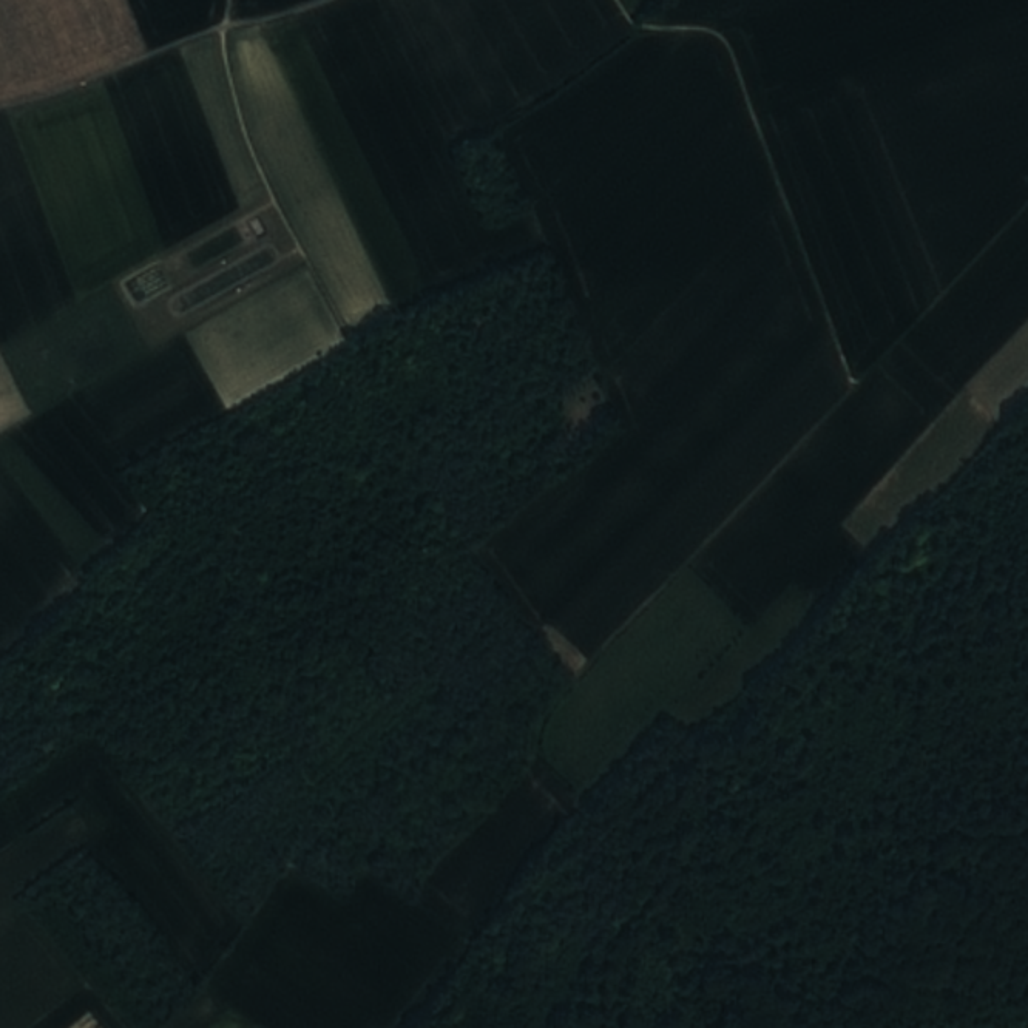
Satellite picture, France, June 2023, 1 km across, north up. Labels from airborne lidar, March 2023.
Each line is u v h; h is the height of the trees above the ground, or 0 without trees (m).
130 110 0
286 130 0
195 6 0
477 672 23
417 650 17
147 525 8
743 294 0
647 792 27
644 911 17
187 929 0
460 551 11
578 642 0
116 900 17
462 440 13
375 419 12
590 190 0
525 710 10
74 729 9
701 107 0
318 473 9
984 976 28
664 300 0
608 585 0
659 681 0
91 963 6
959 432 0
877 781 7
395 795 14
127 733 21
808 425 0
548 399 15
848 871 8
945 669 9
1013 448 13
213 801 10
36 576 0
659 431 0
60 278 0
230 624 14
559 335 20
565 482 0
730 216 0
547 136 0
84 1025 0
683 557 0
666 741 22
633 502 0
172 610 8
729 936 23
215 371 0
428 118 0
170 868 0
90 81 0
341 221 0
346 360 9
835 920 8
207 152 0
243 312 0
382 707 6
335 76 0
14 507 0
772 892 14
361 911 0
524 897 17
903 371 0
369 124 0
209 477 13
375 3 0
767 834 11
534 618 0
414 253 0
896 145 0
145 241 0
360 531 13
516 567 0
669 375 0
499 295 10
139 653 11
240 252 0
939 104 0
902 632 8
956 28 0
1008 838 28
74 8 0
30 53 0
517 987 20
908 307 0
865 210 0
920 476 0
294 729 18
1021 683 8
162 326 0
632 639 0
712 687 0
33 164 0
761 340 0
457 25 0
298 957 0
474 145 12
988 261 0
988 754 19
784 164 0
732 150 0
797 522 0
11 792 0
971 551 14
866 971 10
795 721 9
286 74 0
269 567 8
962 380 0
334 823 9
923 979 20
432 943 0
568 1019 17
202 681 14
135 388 0
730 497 0
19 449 0
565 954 8
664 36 0
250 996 0
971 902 29
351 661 20
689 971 9
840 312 0
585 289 0
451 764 22
